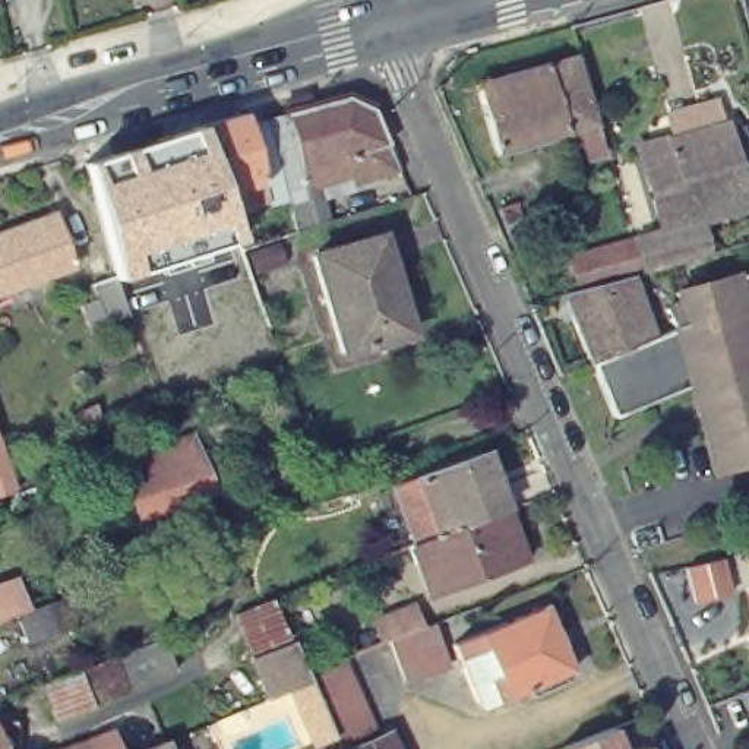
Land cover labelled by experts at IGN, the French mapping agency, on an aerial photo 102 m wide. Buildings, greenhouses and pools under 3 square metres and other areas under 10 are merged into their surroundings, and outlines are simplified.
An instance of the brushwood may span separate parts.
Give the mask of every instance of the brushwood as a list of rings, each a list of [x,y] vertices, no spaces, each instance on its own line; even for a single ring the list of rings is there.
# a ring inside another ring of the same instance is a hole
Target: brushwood
[[[439,73],[430,64],[424,64],[421,76],[427,76],[427,94],[442,117],[442,126],[451,138],[451,146],[459,158],[465,178],[477,176],[468,164],[456,126],[448,120],[448,105],[439,94]]]

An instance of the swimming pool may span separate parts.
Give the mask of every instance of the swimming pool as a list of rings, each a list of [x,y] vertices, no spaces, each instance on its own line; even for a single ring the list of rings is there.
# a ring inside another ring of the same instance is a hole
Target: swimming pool
[[[234,749],[301,749],[287,723],[275,723],[240,740]]]

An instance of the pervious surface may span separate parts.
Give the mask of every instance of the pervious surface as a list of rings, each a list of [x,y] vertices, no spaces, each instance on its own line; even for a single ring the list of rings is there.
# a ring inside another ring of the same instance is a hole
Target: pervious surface
[[[424,623],[436,626],[448,617],[445,609],[465,603],[477,603],[486,611],[494,611],[500,600],[518,594],[518,582],[571,571],[579,559],[573,550],[568,556],[550,556],[541,547],[538,547],[538,553],[535,553],[535,562],[503,576],[486,579],[480,585],[445,594],[433,606],[421,597],[427,591],[421,559],[407,559],[401,576],[395,571],[377,571],[383,614],[418,609]]]
[[[717,641],[714,647],[696,647],[693,655],[699,664],[714,661],[737,647],[749,650],[749,632],[737,632],[726,641]]]
[[[64,184],[50,184],[53,202],[59,214],[79,257],[76,272],[91,272],[91,284],[111,278],[114,266],[97,217],[91,181],[79,187],[73,196]]]
[[[165,685],[173,690],[187,688],[208,670],[219,670],[234,685],[240,693],[252,693],[252,685],[240,673],[240,667],[246,661],[252,664],[240,614],[228,614],[225,629],[217,632],[205,652],[193,652],[190,658],[174,655],[183,676]]]
[[[120,723],[138,717],[146,720],[155,731],[167,726],[161,717],[149,705],[132,705],[123,711],[111,711],[111,720]]]
[[[187,47],[205,47],[208,41],[249,29],[307,0],[181,0],[181,9],[187,12],[178,18],[178,32]]]
[[[0,726],[12,740],[12,749],[53,749],[50,740],[61,737],[56,726],[41,720],[41,711],[29,699],[26,708],[15,708],[6,702],[0,708]]]
[[[138,64],[149,59],[149,26],[143,20],[85,35],[59,47],[53,56],[53,67],[61,82]]]
[[[26,61],[20,56],[12,61],[0,61],[0,102],[26,94]]]
[[[503,173],[489,173],[483,178],[477,176],[465,178],[468,202],[477,211],[489,208],[486,196],[509,193],[538,193],[541,187],[538,164],[524,164],[518,170],[506,167]]]
[[[644,693],[632,682],[629,664],[620,658],[611,670],[600,670],[601,679],[480,723],[437,705],[430,708],[421,699],[404,699],[398,708],[401,717],[383,717],[375,723],[377,734],[395,731],[401,749],[524,749],[527,740],[544,731],[562,726],[576,729],[582,720],[597,714],[609,699],[620,693],[632,699]]]

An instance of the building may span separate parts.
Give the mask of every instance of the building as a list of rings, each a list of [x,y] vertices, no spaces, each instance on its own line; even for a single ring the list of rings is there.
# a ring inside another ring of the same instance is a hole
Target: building
[[[506,202],[509,193],[486,196],[489,208],[492,219],[497,222],[506,240],[512,237],[515,225],[521,225],[521,214],[518,205]]]
[[[500,626],[471,641],[453,647],[453,661],[445,652],[436,626],[424,623],[418,609],[383,614],[372,629],[366,629],[366,647],[377,641],[398,644],[398,652],[413,682],[448,676],[453,664],[459,664],[474,702],[483,708],[497,708],[500,699],[521,699],[532,693],[535,685],[553,685],[559,679],[568,679],[576,667],[573,647],[565,635],[556,609],[541,609],[530,617],[521,617],[509,626]]]
[[[59,611],[67,603],[64,597],[61,603],[53,603],[29,582],[0,582],[0,623],[20,614],[29,623],[28,647],[50,644],[59,632]]]
[[[737,614],[737,632],[749,632],[749,556],[737,559],[729,553],[726,562],[711,562],[685,571],[690,597],[699,603],[720,600],[723,609],[731,609]]]
[[[582,138],[588,161],[606,161],[609,146],[603,138],[603,123],[597,102],[588,82],[588,70],[579,56],[562,59],[559,64],[541,64],[532,70],[489,79],[480,85],[477,102],[489,132],[492,152],[518,155],[538,149],[553,146],[565,138]]]
[[[304,749],[401,749],[395,731],[377,734],[375,723],[348,664],[325,676],[313,673],[304,664],[301,644],[293,638],[284,614],[281,603],[266,603],[240,614],[252,664],[266,699],[278,699],[284,693],[296,696],[298,717],[310,740]]]
[[[427,591],[421,597],[433,606],[445,594],[480,585],[486,579],[503,576],[535,562],[535,553],[532,547],[530,547],[530,544],[527,544],[524,532],[521,532],[521,524],[518,524],[518,512],[503,462],[494,451],[489,451],[433,471],[418,480],[395,486],[395,503],[404,515],[407,547],[407,559],[421,559]]]
[[[18,480],[9,465],[6,445],[0,436],[0,497],[18,497]]]
[[[573,749],[632,749],[623,731],[606,731]]]
[[[319,287],[319,301],[328,313],[336,354],[360,354],[366,363],[386,360],[395,348],[418,345],[424,336],[413,290],[404,272],[404,260],[392,234],[377,234],[348,246],[328,249],[316,252],[310,255],[310,263]]]
[[[12,749],[12,740],[0,726],[0,749]]]
[[[184,436],[170,453],[152,456],[149,480],[138,497],[140,518],[167,512],[178,497],[184,497],[199,483],[219,483],[202,445]]]
[[[740,0],[740,20],[749,38],[749,0]]]
[[[102,734],[73,749],[126,749],[120,734]]]
[[[76,272],[79,257],[59,214],[0,231],[0,304],[9,307],[29,298],[44,301],[53,281]]]
[[[161,652],[155,641],[146,644],[132,652],[126,658],[91,664],[85,676],[79,673],[47,685],[56,726],[61,737],[76,734],[73,720],[97,711],[97,690],[108,696],[129,696],[132,688],[149,690],[165,685],[183,676],[174,655]]]
[[[749,152],[743,152],[737,129],[726,117],[720,102],[690,108],[664,105],[658,129],[664,129],[667,138],[647,140],[647,135],[641,135],[635,140],[638,155],[629,164],[638,167],[650,208],[650,222],[632,228],[614,234],[611,246],[579,252],[568,260],[568,275],[576,278],[576,284],[573,293],[565,298],[573,304],[582,325],[582,334],[573,336],[585,360],[594,366],[594,377],[611,418],[626,418],[626,413],[650,407],[688,407],[696,413],[705,436],[705,451],[711,459],[708,465],[717,471],[717,477],[729,480],[749,471],[749,272],[699,284],[690,290],[679,290],[679,304],[664,310],[670,322],[667,334],[655,328],[652,310],[641,287],[641,272],[667,272],[676,266],[693,269],[708,260],[717,260],[711,225],[749,214]]]
[[[363,97],[316,102],[290,111],[278,120],[263,120],[260,126],[249,114],[231,117],[211,126],[217,135],[202,149],[190,149],[184,155],[164,161],[152,155],[149,146],[140,146],[135,152],[127,152],[133,176],[117,170],[102,173],[99,164],[88,170],[91,181],[97,217],[114,266],[111,278],[91,284],[94,298],[82,307],[85,328],[94,328],[99,319],[111,316],[135,310],[132,298],[126,298],[123,293],[126,281],[181,275],[193,269],[208,272],[214,269],[214,260],[222,255],[231,255],[234,260],[237,255],[249,252],[249,263],[263,298],[272,293],[269,275],[281,266],[290,266],[293,249],[296,237],[322,225],[331,217],[331,202],[342,202],[360,190],[372,190],[375,181],[395,178],[401,173],[383,111]],[[260,219],[266,205],[290,208],[290,231],[272,240],[257,240],[252,237],[249,225]]]
[[[606,609],[606,597],[591,571],[582,579],[591,588],[600,609]]]

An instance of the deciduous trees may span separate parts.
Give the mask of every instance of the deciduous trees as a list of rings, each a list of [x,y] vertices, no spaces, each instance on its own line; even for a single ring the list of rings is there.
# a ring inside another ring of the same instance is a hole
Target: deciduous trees
[[[682,535],[688,547],[696,553],[729,553],[737,559],[749,556],[749,497],[723,497],[714,518],[688,524]]]
[[[471,430],[492,433],[503,433],[515,421],[515,407],[500,407],[500,383],[494,377],[471,389],[471,395],[462,401],[459,415],[471,418]]]
[[[550,556],[568,556],[573,550],[571,538],[562,530],[568,500],[550,500],[535,506],[532,497],[527,497],[527,509],[530,509],[530,521],[532,521],[532,524],[538,527],[538,535],[541,535],[541,547]]]
[[[424,336],[418,345],[395,348],[386,360],[392,386],[413,389],[418,383],[436,386],[439,377],[445,377],[445,372],[471,372],[480,354],[486,351],[486,348],[477,351],[468,342],[439,345]]]
[[[88,170],[79,170],[76,164],[61,164],[61,176],[67,178],[64,184],[73,196],[79,187],[91,181]]]
[[[138,339],[132,339],[126,328],[114,325],[111,316],[99,319],[94,328],[111,358],[123,361],[129,382],[136,380]]]
[[[260,219],[249,225],[252,237],[257,240],[272,240],[290,231],[290,208],[266,205]]]
[[[322,225],[296,237],[293,249],[316,252],[328,249],[331,231]]]
[[[199,720],[208,720],[211,726],[234,714],[225,705],[225,690],[234,685],[219,670],[208,670],[187,688],[193,693]]]
[[[489,79],[486,70],[492,67],[477,53],[471,53],[468,61],[459,64],[456,82],[465,88],[480,85]]]
[[[0,497],[0,582],[29,582],[53,603],[61,603],[64,597],[67,603],[70,609],[91,611],[99,600],[117,600],[123,620],[152,635],[146,644],[155,641],[161,652],[174,655],[190,658],[193,652],[205,652],[217,632],[225,629],[228,614],[240,614],[266,603],[281,603],[284,614],[298,611],[301,606],[319,611],[319,617],[307,623],[307,635],[301,644],[304,664],[313,673],[325,676],[348,664],[348,647],[342,635],[322,617],[334,588],[342,591],[339,606],[351,611],[366,629],[372,629],[383,614],[377,571],[395,571],[401,576],[407,559],[407,547],[392,550],[389,538],[372,521],[360,535],[354,559],[334,562],[331,553],[316,559],[310,559],[307,550],[296,553],[296,568],[301,576],[287,585],[269,588],[263,594],[260,588],[255,588],[249,556],[257,550],[269,527],[284,503],[296,512],[304,512],[313,512],[322,503],[336,500],[342,494],[366,492],[377,483],[395,486],[418,480],[433,471],[430,465],[445,456],[442,448],[424,448],[418,456],[404,459],[383,453],[380,448],[369,448],[345,459],[310,439],[290,433],[284,421],[310,407],[296,377],[322,380],[328,372],[328,351],[322,345],[310,348],[298,363],[287,360],[293,345],[298,342],[298,334],[290,331],[290,319],[298,313],[298,307],[287,293],[272,293],[263,298],[272,328],[269,348],[252,354],[257,372],[246,372],[243,377],[211,386],[205,377],[170,377],[152,386],[140,386],[123,398],[114,398],[114,410],[99,413],[99,418],[89,418],[82,424],[73,407],[67,413],[59,413],[53,418],[56,433],[47,442],[29,436],[6,445],[9,465],[18,480],[18,497]],[[167,512],[140,518],[138,497],[149,480],[152,456],[170,453],[184,436],[202,445],[219,483],[199,483],[184,497],[178,497]]]
[[[79,673],[85,676],[91,664],[126,658],[132,652],[123,644],[105,650],[102,635],[94,635],[91,641],[73,641],[67,647],[64,667],[59,667],[53,658],[35,658],[20,682],[6,685],[6,702],[15,708],[26,708],[29,699],[35,688],[47,685]]]
[[[629,480],[641,492],[673,486],[679,474],[679,459],[670,451],[644,445],[638,445],[635,453]]]
[[[465,617],[468,626],[486,620],[486,611],[477,603],[465,603],[445,609],[448,617]]]
[[[32,211],[47,208],[53,202],[50,184],[44,178],[41,164],[26,164],[12,176],[0,176],[0,205],[9,211]]]
[[[571,193],[594,190],[597,196],[623,187],[620,167],[614,161],[606,161],[588,161],[582,138],[565,138],[553,146],[538,149],[538,164],[541,187],[562,184]]]
[[[658,734],[661,729],[661,708],[647,705],[635,714],[635,729],[647,737]]]
[[[91,284],[91,272],[76,272],[53,281],[44,301],[50,313],[59,313],[59,325],[67,325],[67,313],[76,313],[82,307],[94,298]]]
[[[568,275],[568,260],[579,252],[571,240],[576,228],[582,228],[582,222],[565,208],[547,202],[521,214],[521,225],[515,225],[512,237],[506,240],[500,257],[512,269],[515,284],[527,290],[527,301],[535,307],[559,307],[565,298],[573,293],[576,284],[576,278]]]
[[[629,97],[597,102],[603,123],[617,123],[620,117],[638,114],[638,94],[652,82],[652,73],[647,67],[641,64],[626,79],[632,85]]]

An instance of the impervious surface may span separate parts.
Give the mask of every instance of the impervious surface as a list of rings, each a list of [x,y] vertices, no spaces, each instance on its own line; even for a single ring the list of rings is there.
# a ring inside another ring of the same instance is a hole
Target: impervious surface
[[[208,272],[193,269],[181,275],[126,281],[123,293],[126,298],[132,298],[135,310],[152,307],[152,298],[158,298],[170,304],[178,331],[187,334],[205,328],[211,322],[211,313],[205,293],[214,284],[237,278],[240,266],[234,266],[234,260],[231,255],[222,255],[214,260],[214,269]]]
[[[655,328],[667,334],[670,322],[664,310],[679,304],[679,290],[690,290],[699,284],[690,275],[693,269],[676,266],[667,272],[641,272],[641,287],[652,310]]]
[[[126,749],[234,749],[240,740],[275,723],[287,723],[301,749],[304,749],[310,740],[298,717],[296,696],[284,693],[278,699],[266,699],[243,714],[234,714],[211,726],[208,731],[187,734],[184,726],[167,726],[155,731],[146,720],[138,717],[120,723],[111,720],[111,711],[123,711],[132,705],[149,705],[161,717],[161,696],[173,690],[165,685],[149,690],[132,688],[129,696],[108,696],[97,690],[97,711],[73,720],[76,734],[61,737],[50,740],[53,749],[73,749],[102,734],[120,734]]]
[[[527,301],[527,290],[515,284],[512,269],[500,257],[506,240],[497,222],[492,219],[489,208],[477,211],[468,202],[465,178],[459,158],[451,146],[451,138],[442,126],[442,117],[427,94],[427,76],[421,76],[424,64],[430,64],[439,73],[442,64],[456,53],[471,53],[477,53],[483,44],[509,41],[568,20],[571,26],[600,26],[635,15],[644,23],[652,56],[647,67],[652,73],[661,73],[670,82],[664,91],[664,105],[690,108],[720,102],[726,117],[737,129],[743,152],[749,152],[749,117],[740,108],[734,108],[729,97],[731,82],[723,64],[714,64],[714,82],[693,82],[690,59],[682,47],[676,23],[679,0],[307,0],[249,29],[208,41],[205,47],[187,47],[178,32],[178,18],[187,12],[181,9],[181,0],[132,0],[135,6],[149,6],[149,15],[143,20],[149,26],[149,59],[138,64],[61,82],[53,67],[53,56],[59,47],[53,47],[44,38],[47,15],[56,0],[9,0],[12,20],[26,41],[26,50],[20,56],[26,61],[26,94],[0,102],[0,176],[12,176],[26,164],[41,164],[44,178],[50,184],[64,184],[67,178],[61,176],[61,164],[76,164],[79,170],[88,170],[99,164],[102,173],[117,170],[133,176],[127,152],[135,152],[140,146],[149,146],[152,155],[164,161],[184,155],[190,149],[202,149],[217,135],[211,126],[231,117],[249,114],[260,126],[263,120],[278,120],[290,111],[316,102],[363,97],[383,111],[401,173],[395,178],[375,181],[372,190],[360,190],[342,202],[331,202],[331,217],[339,217],[339,205],[357,208],[363,202],[366,208],[375,208],[377,202],[395,202],[395,193],[407,199],[427,199],[433,222],[413,228],[415,243],[418,249],[439,240],[448,246],[462,278],[462,287],[468,293],[468,313],[486,313],[492,319],[486,348],[486,351],[494,351],[497,357],[500,377],[494,377],[500,383],[500,407],[515,407],[515,421],[538,445],[538,451],[532,451],[527,459],[515,453],[503,462],[518,512],[518,509],[527,509],[527,497],[532,497],[535,506],[550,500],[568,500],[562,530],[571,538],[573,550],[579,559],[591,571],[606,597],[606,609],[600,609],[597,617],[579,623],[573,600],[556,609],[565,635],[573,647],[576,667],[568,679],[559,679],[553,685],[535,685],[532,693],[521,699],[500,699],[497,708],[483,708],[474,702],[459,664],[453,664],[448,676],[413,682],[398,652],[398,644],[377,641],[366,647],[348,647],[348,664],[375,723],[383,717],[401,717],[398,708],[404,699],[421,699],[430,708],[437,705],[480,723],[601,679],[600,670],[588,661],[591,629],[609,626],[620,650],[620,658],[629,664],[632,682],[644,693],[632,699],[635,714],[647,705],[661,708],[661,729],[658,734],[647,737],[650,749],[749,749],[749,693],[737,693],[731,702],[708,702],[705,688],[696,682],[699,664],[693,655],[696,647],[714,647],[717,641],[726,641],[737,632],[737,614],[731,609],[723,609],[720,600],[699,603],[690,597],[685,571],[652,573],[638,559],[655,544],[682,535],[688,524],[714,518],[723,497],[749,497],[749,471],[729,480],[717,477],[717,471],[708,465],[711,459],[705,451],[705,436],[696,413],[688,407],[650,407],[658,415],[658,421],[650,430],[620,436],[617,442],[606,445],[606,451],[591,453],[585,448],[579,424],[573,421],[571,401],[556,380],[553,369],[562,363],[544,331],[550,319],[559,319],[571,328],[573,336],[582,334],[582,325],[573,304],[565,298],[559,307],[535,307]],[[644,445],[670,451],[679,459],[679,474],[673,486],[641,492],[635,497],[614,497],[600,477],[600,468],[606,462],[623,453],[635,453],[638,445]]]
[[[310,255],[316,252],[293,249],[290,266],[301,269],[304,298],[322,345],[328,351],[328,372],[342,375],[366,363],[360,354],[336,354],[328,313],[319,301],[319,287],[310,263]]]
[[[389,538],[392,550],[407,547],[404,515],[395,503],[395,486],[377,483],[366,492],[342,494],[336,500],[322,503],[313,512],[304,512],[304,524],[348,518],[354,512],[375,512],[372,521]]]
[[[260,568],[278,535],[269,527],[257,550],[249,556],[255,588],[260,588],[263,594],[269,588],[263,585]]]
[[[465,632],[468,626],[465,617],[448,617],[436,626],[445,652],[453,661],[453,647],[471,641]]]
[[[638,167],[629,164],[620,167],[623,187],[632,228],[650,222],[650,208]]]

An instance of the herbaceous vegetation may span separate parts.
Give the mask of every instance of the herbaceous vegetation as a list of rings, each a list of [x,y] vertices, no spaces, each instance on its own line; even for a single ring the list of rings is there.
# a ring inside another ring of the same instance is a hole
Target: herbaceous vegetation
[[[123,620],[117,600],[99,600],[91,611],[70,609],[67,603],[59,611],[59,632],[50,644],[28,647],[29,623],[20,614],[0,623],[0,708],[6,702],[6,685],[20,682],[35,658],[53,658],[59,667],[64,667],[67,647],[73,641],[91,641],[94,635],[102,635],[105,650],[123,644],[132,652],[146,644],[152,635]]]
[[[600,477],[614,497],[635,497],[641,492],[629,480],[635,453],[623,453],[606,462],[600,468]]]
[[[41,720],[56,726],[47,685],[35,688],[29,699],[41,711]]]
[[[699,284],[749,272],[749,214],[711,225],[717,260],[708,260],[693,269],[690,275]]]
[[[518,594],[500,600],[494,611],[486,611],[486,620],[468,626],[465,632],[471,641],[500,626],[509,626],[521,617],[530,617],[541,609],[556,609],[573,600],[579,623],[597,617],[600,609],[591,588],[582,579],[591,571],[579,559],[571,571],[518,582]]]
[[[59,47],[85,35],[143,20],[149,15],[149,6],[135,6],[132,0],[56,0],[47,15],[44,38],[53,47]]]
[[[351,611],[339,606],[342,591],[334,588],[322,617],[342,635],[348,647],[366,647],[366,629]]]
[[[731,82],[729,97],[734,108],[740,108],[749,117],[749,38],[740,20],[740,0],[679,0],[676,23],[682,47],[690,59],[693,82],[714,82],[714,64],[723,64]]]
[[[301,644],[307,635],[307,623],[319,617],[319,611],[301,606],[298,611],[284,614],[293,638]]]
[[[26,41],[12,20],[9,0],[0,0],[0,61],[12,61],[20,56],[26,50]]]
[[[234,714],[243,714],[266,699],[252,664],[246,661],[240,667],[240,673],[252,685],[252,693],[240,693],[234,685],[225,690],[225,705]]]
[[[53,202],[47,208],[32,211],[9,211],[0,205],[0,231],[59,214]]]
[[[328,249],[348,246],[377,234],[392,234],[404,260],[404,272],[413,290],[424,336],[439,345],[468,342],[477,351],[486,348],[492,319],[486,313],[468,313],[468,293],[462,287],[462,278],[448,246],[439,240],[418,249],[415,243],[413,228],[433,222],[427,199],[407,199],[395,193],[395,202],[377,202],[375,208],[366,208],[363,202],[357,208],[339,205],[339,217],[331,217],[322,225],[331,231]]]
[[[442,448],[445,456],[430,465],[433,471],[489,451],[494,451],[503,462],[515,453],[527,459],[532,451],[538,451],[538,445],[515,421],[503,433],[492,433],[471,430],[471,418],[459,415],[462,401],[471,395],[471,389],[494,377],[500,377],[497,357],[494,351],[486,351],[480,354],[471,372],[445,372],[445,377],[439,377],[436,386],[418,383],[413,389],[392,386],[386,360],[366,363],[342,375],[328,372],[322,380],[296,377],[310,407],[284,421],[290,433],[310,439],[345,459],[369,448],[380,448],[383,453],[404,459],[418,456],[424,448]]]
[[[459,64],[468,61],[471,53],[456,53],[442,64],[439,73],[439,94],[448,105],[448,120],[456,126],[468,164],[477,176],[483,178],[489,173],[503,173],[506,167],[518,170],[524,164],[538,164],[538,149],[518,155],[492,152],[489,132],[477,102],[480,85],[465,88],[456,82]]]
[[[647,140],[667,138],[664,129],[658,129],[664,105],[664,91],[670,82],[661,73],[652,73],[652,82],[638,94],[638,114],[620,117],[617,123],[603,123],[603,138],[609,146],[606,161],[614,161],[620,167],[629,164],[638,155],[635,140],[641,135],[647,135]]]
[[[609,626],[591,629],[588,661],[600,670],[611,670],[620,658],[620,650]]]
[[[211,726],[208,720],[199,720],[193,693],[187,688],[173,690],[161,696],[161,717],[167,726],[184,726],[187,734],[208,731]]]
[[[158,298],[152,298],[152,307],[135,310],[111,316],[114,325],[126,328],[132,339],[138,339],[136,380],[129,382],[123,361],[111,358],[94,328],[85,328],[82,307],[76,313],[67,313],[67,325],[59,325],[59,313],[50,313],[44,301],[29,298],[9,307],[0,304],[0,436],[6,445],[29,436],[47,442],[56,433],[53,418],[59,413],[67,413],[73,407],[82,424],[89,418],[99,418],[99,413],[114,410],[114,398],[123,398],[140,386],[152,386],[170,377],[205,377],[211,386],[243,377],[246,372],[257,372],[252,354],[269,348],[272,328],[263,298],[249,263],[249,252],[237,255],[234,260],[234,266],[240,266],[237,278],[214,284],[205,293],[211,313],[211,322],[205,328],[187,334],[178,331],[170,304]]]
[[[682,535],[655,544],[638,559],[652,573],[685,571],[711,562],[726,562],[729,553],[696,553],[688,547]]]
[[[532,524],[532,521],[530,521],[530,509],[527,509],[518,509],[518,512],[518,524],[521,524],[521,532],[524,532],[527,544],[530,544],[530,547],[532,547],[535,553],[538,553],[538,547],[541,547],[541,535],[538,535],[538,527]]]
[[[290,331],[298,334],[298,342],[293,345],[287,360],[298,363],[310,348],[322,345],[304,298],[301,269],[290,266],[281,266],[269,275],[272,293],[287,293],[298,307],[298,313],[290,319]]]
[[[375,512],[354,512],[348,518],[304,524],[304,512],[296,512],[284,503],[269,527],[278,535],[260,568],[263,585],[269,588],[287,585],[301,576],[296,568],[296,553],[307,550],[310,559],[316,559],[331,553],[334,562],[354,559],[360,535],[372,521]]]
[[[641,64],[647,67],[652,56],[644,23],[635,15],[600,26],[571,26],[568,20],[509,41],[483,44],[477,53],[492,67],[486,70],[489,79],[532,70],[541,64],[559,64],[562,59],[579,56],[588,70],[588,82],[597,102],[629,97],[632,85],[626,79]]]
[[[571,240],[579,252],[611,246],[614,234],[632,228],[623,187],[597,196],[594,190],[571,193],[562,184],[541,187],[538,193],[509,193],[506,202],[518,205],[521,214],[547,202],[565,208],[582,222],[582,228],[576,228]]]
[[[737,647],[714,661],[699,664],[696,682],[705,688],[708,702],[731,702],[737,693],[749,693],[749,650]]]
[[[632,699],[620,693],[609,699],[597,714],[582,720],[576,729],[562,726],[544,731],[527,740],[524,749],[573,749],[606,731],[623,731],[632,749],[650,749],[647,737],[635,729],[635,714]]]
[[[573,336],[571,328],[559,319],[550,319],[544,331],[562,363],[553,369],[556,380],[571,401],[573,421],[579,424],[585,448],[591,453],[606,451],[606,445],[617,442],[620,436],[650,430],[658,421],[658,415],[650,407],[626,413],[626,418],[611,418],[594,377],[594,366],[585,360]]]

